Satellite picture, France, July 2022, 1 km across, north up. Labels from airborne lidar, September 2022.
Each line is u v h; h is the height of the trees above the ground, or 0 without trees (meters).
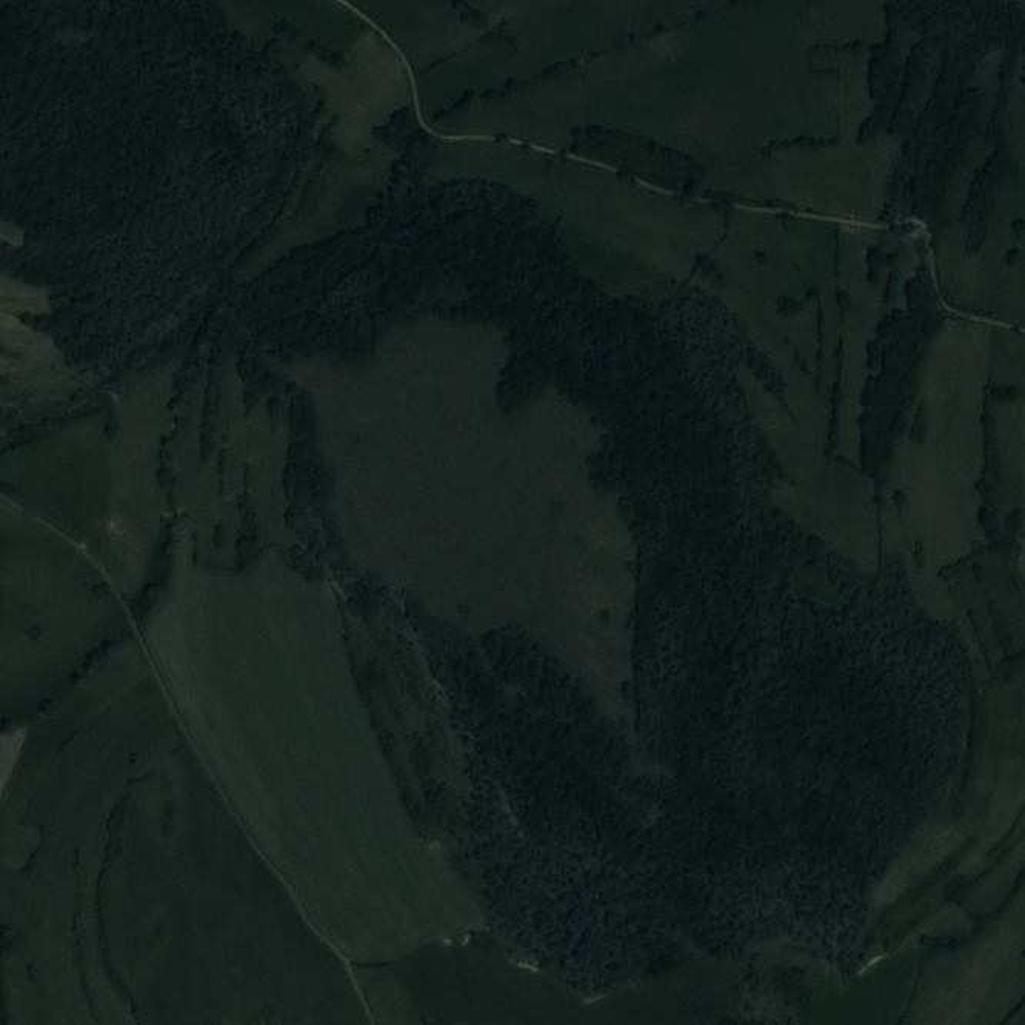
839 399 11
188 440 0
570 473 0
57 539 0
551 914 8
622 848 9
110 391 6
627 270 0
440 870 0
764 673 20
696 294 12
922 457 0
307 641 0
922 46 8
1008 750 0
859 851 15
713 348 15
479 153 0
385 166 0
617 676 0
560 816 11
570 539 0
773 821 14
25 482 0
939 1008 0
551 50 0
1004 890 0
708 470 19
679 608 17
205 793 0
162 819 0
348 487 0
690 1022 0
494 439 0
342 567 6
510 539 0
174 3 21
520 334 15
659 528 18
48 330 14
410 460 0
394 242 21
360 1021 0
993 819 0
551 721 6
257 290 17
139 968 0
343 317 10
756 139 0
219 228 15
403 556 0
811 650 22
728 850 16
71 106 10
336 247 16
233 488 0
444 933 0
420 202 11
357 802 0
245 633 0
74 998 0
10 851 0
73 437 0
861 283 0
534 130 0
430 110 0
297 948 0
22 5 18
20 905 0
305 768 0
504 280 13
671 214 0
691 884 22
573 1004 0
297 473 12
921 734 18
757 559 17
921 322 12
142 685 0
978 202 14
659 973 16
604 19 0
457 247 16
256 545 9
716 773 15
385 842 0
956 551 0
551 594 0
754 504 16
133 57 6
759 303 0
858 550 0
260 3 0
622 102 0
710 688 18
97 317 14
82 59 11
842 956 8
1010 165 8
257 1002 0
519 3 0
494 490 0
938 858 0
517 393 16
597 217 0
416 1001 0
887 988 0
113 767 0
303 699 0
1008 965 0
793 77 0
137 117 12
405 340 0
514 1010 0
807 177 0
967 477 0
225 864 0
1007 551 9
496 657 10
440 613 0
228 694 0
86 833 0
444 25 0
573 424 0
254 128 22
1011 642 6
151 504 0
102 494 0
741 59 0
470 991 0
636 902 18
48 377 0
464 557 0
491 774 13
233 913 0
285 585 0
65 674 0
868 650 10
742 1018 0
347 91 0
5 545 0
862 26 0
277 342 7
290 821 0
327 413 0
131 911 0
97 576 0
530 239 21
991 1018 0
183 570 0
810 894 10
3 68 15
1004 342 0
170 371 0
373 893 0
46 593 0
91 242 16
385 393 0
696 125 0
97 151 10
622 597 0
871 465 16
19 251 8
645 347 21
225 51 22
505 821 6
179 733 0
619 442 12
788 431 0
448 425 0
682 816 14
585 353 13
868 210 0
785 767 9
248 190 17
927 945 10
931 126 15
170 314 14
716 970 0
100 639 0
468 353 0
